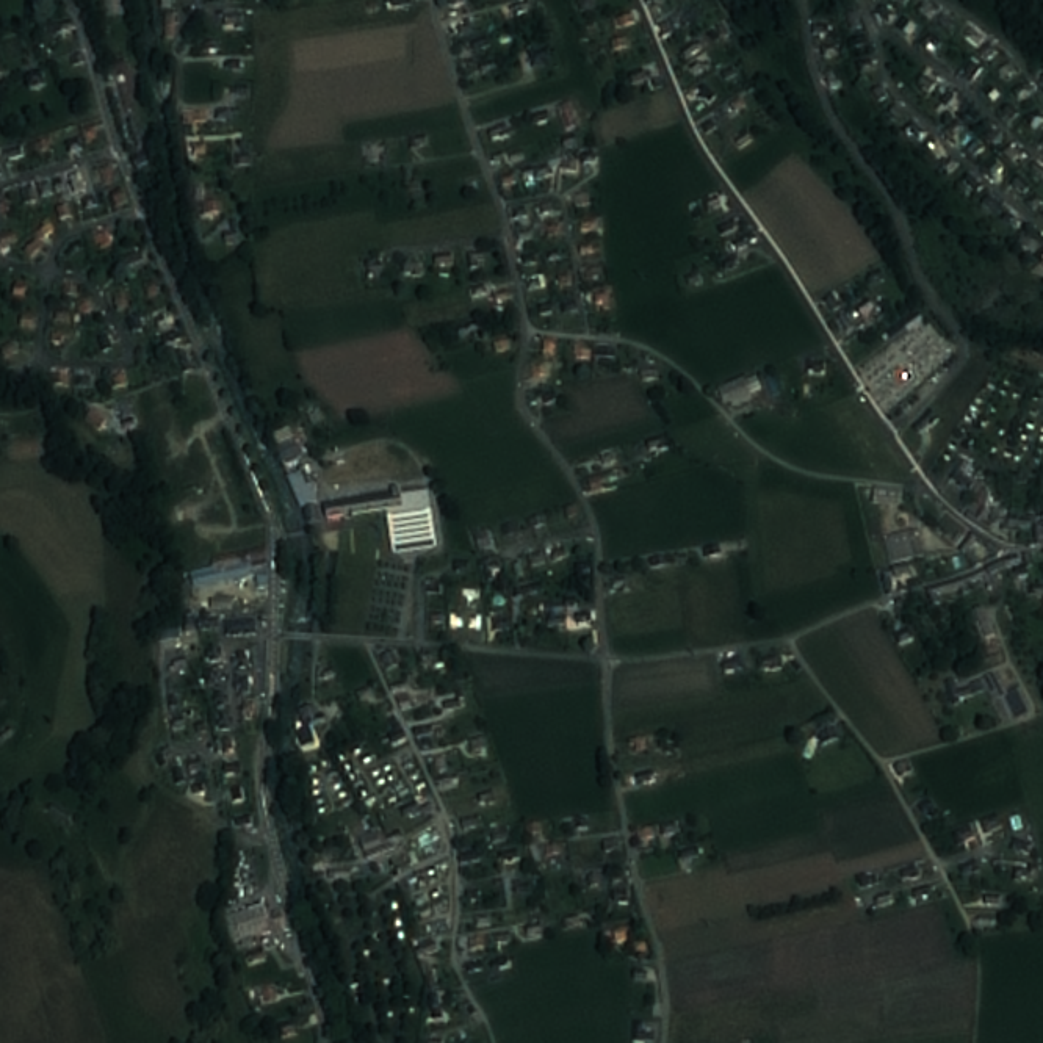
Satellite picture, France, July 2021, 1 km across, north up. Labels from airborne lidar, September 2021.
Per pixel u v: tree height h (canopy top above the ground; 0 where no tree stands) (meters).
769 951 0
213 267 14
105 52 14
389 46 0
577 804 0
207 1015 19
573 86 0
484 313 11
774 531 0
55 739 0
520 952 0
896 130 12
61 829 6
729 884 0
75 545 0
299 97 0
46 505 0
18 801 19
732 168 0
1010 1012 0
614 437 0
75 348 0
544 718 0
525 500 0
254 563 0
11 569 0
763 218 0
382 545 0
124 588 0
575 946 0
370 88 0
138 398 0
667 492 0
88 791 16
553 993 0
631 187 0
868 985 0
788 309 0
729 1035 0
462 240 0
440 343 10
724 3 12
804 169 0
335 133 0
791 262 0
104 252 7
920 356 0
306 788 6
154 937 0
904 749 0
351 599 0
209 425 0
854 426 0
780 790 0
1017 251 17
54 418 16
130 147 12
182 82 0
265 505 0
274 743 11
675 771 0
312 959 20
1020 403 7
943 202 10
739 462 0
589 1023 0
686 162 0
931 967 0
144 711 21
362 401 0
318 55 0
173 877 0
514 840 7
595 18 7
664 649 0
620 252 0
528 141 0
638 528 0
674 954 0
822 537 0
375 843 0
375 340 0
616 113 0
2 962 0
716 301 0
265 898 0
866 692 0
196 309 13
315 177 0
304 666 0
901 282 10
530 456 0
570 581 7
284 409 13
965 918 0
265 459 0
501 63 8
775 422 0
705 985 0
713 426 0
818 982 0
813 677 0
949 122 7
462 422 0
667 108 0
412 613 0
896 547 0
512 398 0
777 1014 0
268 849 0
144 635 23
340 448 0
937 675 7
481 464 0
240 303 0
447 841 0
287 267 0
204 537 0
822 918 0
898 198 22
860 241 0
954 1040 0
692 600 0
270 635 0
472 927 8
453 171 0
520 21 6
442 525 0
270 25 0
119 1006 0
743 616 0
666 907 0
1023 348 14
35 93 0
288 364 0
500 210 0
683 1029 0
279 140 0
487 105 0
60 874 14
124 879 0
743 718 0
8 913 0
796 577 0
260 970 0
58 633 0
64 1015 0
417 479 0
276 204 8
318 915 21
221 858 13
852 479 0
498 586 10
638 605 0
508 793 0
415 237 0
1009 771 0
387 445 0
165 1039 0
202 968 0
